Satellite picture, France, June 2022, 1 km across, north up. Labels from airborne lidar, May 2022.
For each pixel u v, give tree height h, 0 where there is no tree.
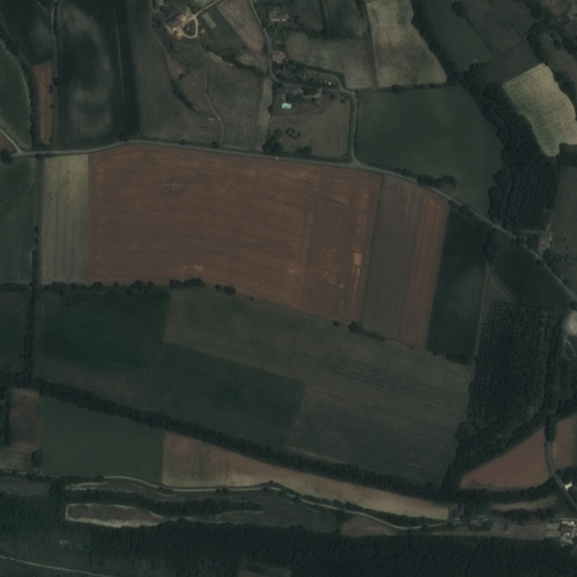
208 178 0
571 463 0
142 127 0
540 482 0
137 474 0
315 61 0
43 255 0
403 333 0
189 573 8
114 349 0
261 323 0
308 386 0
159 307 0
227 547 22
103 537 11
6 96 0
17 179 0
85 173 0
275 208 0
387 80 0
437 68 0
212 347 0
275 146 9
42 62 0
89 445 0
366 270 0
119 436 0
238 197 0
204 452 0
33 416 0
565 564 19
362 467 0
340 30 0
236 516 0
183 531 19
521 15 0
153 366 0
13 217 0
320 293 0
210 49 8
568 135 0
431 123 0
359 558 21
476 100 8
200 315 0
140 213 0
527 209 23
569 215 0
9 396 29
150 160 0
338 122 0
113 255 0
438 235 0
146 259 0
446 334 0
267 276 0
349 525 0
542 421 9
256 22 0
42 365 0
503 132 22
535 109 0
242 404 0
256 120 0
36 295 12
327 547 19
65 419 0
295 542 23
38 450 9
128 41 0
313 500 13
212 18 0
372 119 0
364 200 0
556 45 15
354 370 0
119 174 0
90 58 0
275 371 0
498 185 12
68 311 0
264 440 0
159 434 0
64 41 0
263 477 0
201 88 0
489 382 12
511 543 10
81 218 0
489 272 0
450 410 0
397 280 0
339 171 0
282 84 9
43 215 0
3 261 0
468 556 20
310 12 0
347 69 0
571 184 0
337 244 0
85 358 0
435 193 0
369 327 0
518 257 0
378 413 0
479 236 0
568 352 0
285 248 0
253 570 6
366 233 0
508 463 0
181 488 0
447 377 0
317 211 0
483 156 0
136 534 16
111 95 0
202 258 0
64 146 0
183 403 0
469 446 11
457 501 16
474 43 0
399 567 21
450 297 0
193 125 0
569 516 0
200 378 0
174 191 0
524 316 15
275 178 0
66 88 0
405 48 0
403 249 0
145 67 0
